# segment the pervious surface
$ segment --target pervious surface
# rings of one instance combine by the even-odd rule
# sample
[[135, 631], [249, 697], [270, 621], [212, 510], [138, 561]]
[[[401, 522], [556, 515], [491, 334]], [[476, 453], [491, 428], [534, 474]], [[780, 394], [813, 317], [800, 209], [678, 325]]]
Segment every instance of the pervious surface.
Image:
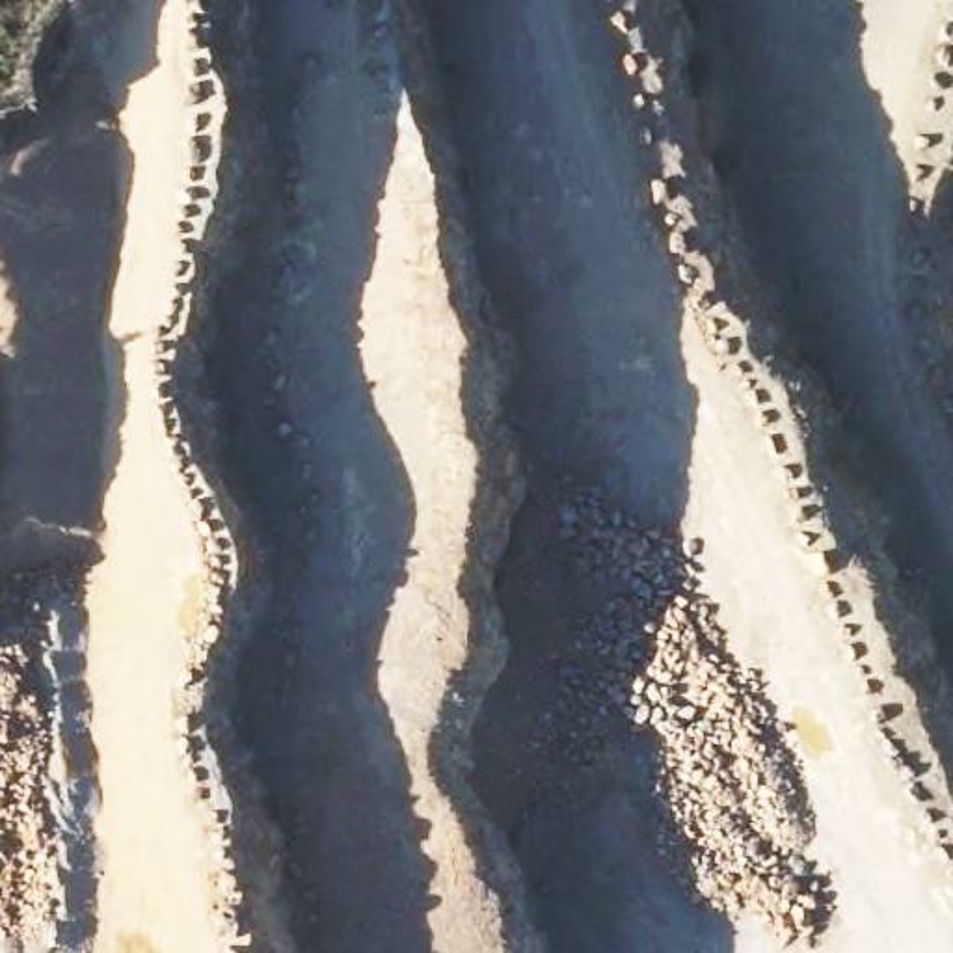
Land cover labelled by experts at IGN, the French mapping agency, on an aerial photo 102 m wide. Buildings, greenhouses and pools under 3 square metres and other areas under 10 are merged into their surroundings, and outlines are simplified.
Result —
[[953, 953], [953, 0], [0, 0], [0, 953]]

